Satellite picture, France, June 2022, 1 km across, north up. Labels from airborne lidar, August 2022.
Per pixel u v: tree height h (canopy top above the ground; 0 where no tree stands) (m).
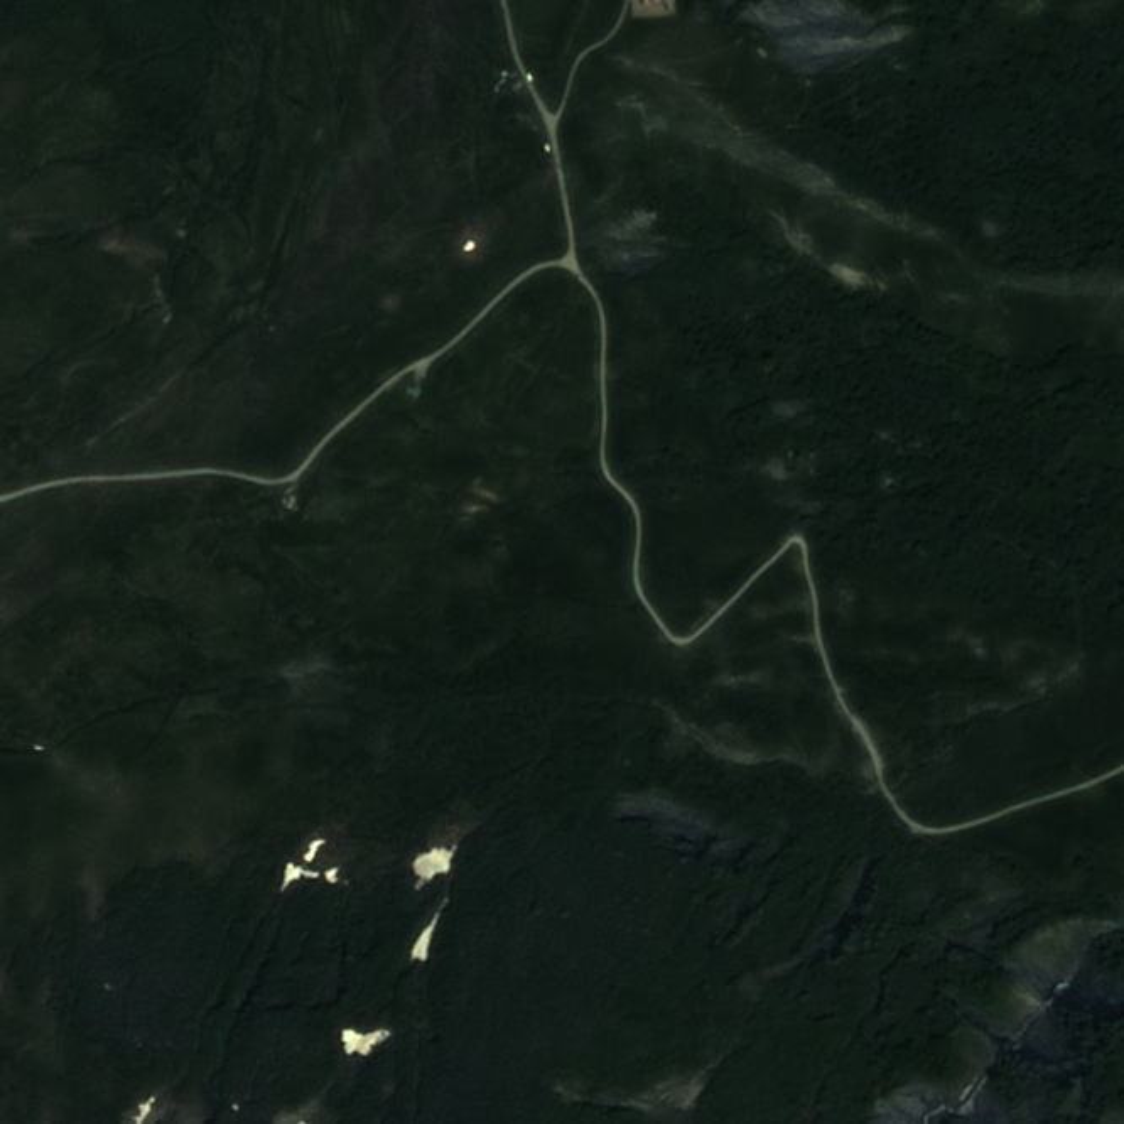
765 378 7
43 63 0
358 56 0
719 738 0
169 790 0
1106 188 8
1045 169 8
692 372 8
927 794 0
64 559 0
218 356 0
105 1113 0
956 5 8
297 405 0
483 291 0
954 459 8
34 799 0
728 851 0
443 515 0
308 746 0
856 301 12
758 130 0
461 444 0
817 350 7
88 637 0
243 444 0
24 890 0
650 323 0
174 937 5
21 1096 0
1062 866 0
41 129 0
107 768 0
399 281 0
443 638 0
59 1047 0
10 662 0
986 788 0
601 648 0
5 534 0
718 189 0
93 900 0
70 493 0
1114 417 7
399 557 0
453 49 0
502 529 0
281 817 0
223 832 0
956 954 11
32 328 0
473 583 0
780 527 0
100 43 0
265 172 0
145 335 0
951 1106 0
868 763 0
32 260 0
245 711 0
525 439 0
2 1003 0
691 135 0
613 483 0
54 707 0
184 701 0
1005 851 0
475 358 0
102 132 0
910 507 6
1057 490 9
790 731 0
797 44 0
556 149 0
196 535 0
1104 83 6
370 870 0
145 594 0
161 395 0
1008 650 0
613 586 0
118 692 0
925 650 0
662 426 0
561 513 0
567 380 0
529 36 0
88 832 0
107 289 0
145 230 0
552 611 0
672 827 0
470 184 0
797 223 0
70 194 0
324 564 0
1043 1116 0
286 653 0
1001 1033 0
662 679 0
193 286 0
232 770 0
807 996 6
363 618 0
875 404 7
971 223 6
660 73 0
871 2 13
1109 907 9
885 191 7
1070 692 0
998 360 8
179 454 0
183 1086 0
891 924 8
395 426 0
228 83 0
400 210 0
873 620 0
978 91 7
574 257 0
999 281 0
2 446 0
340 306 0
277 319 0
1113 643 0
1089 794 0
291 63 0
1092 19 0
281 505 0
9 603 0
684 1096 0
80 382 0
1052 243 7
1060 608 7
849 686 0
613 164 0
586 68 0
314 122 0
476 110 0
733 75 0
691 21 0
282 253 0
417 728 0
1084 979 0
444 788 0
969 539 7
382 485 0
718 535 0
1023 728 0
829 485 9
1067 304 0
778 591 0
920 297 0
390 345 0
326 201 0
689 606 0
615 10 0
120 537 0
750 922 9
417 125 0
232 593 0
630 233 0
